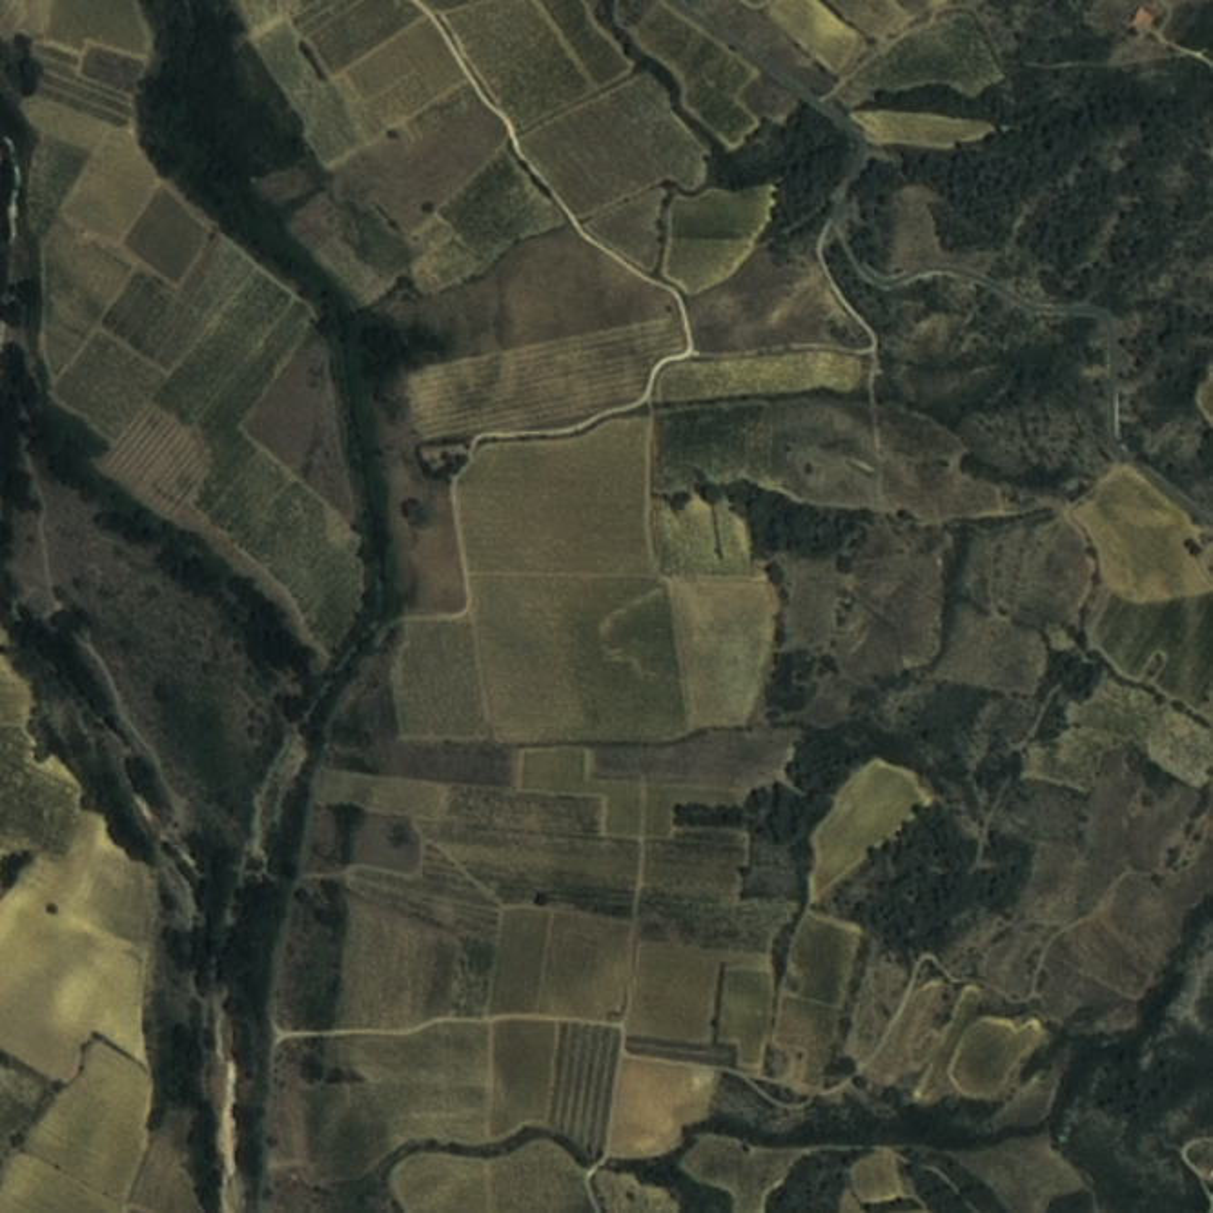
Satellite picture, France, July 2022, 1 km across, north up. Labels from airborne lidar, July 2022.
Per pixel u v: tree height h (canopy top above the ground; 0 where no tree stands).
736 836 0
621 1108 0
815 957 0
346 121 0
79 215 0
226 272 0
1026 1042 0
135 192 0
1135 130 0
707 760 0
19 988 0
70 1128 0
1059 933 0
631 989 0
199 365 0
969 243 6
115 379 0
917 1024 0
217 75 10
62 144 0
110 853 0
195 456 0
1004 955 0
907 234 0
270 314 0
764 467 0
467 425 0
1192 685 0
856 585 0
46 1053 0
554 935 0
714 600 0
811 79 0
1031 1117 0
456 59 0
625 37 6
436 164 0
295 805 6
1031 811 0
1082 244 13
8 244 9
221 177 15
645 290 0
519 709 0
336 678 13
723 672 0
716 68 0
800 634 0
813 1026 0
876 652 0
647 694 0
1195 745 0
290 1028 0
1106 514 0
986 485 0
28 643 14
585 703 0
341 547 0
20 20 0
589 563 0
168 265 0
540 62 0
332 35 0
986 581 0
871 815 0
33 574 0
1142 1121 9
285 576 0
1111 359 0
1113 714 0
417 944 0
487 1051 0
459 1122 0
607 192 0
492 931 0
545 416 0
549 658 0
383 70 0
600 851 0
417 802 0
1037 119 11
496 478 0
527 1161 0
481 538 0
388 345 17
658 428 0
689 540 0
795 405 0
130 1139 0
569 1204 0
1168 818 0
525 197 0
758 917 0
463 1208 0
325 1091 0
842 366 0
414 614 0
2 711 0
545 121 0
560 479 0
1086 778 0
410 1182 0
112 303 0
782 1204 10
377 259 0
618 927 0
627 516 0
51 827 0
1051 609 0
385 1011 0
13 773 0
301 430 0
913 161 13
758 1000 0
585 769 0
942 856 11
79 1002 0
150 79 8
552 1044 0
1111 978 0
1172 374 9
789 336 0
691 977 0
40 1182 0
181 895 0
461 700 0
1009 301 0
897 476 0
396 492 0
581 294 0
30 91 7
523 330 0
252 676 7
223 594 10
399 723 0
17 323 11
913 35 0
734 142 0
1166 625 0
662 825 0
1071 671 12
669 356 0
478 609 0
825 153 16
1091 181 8
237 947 14
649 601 0
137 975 0
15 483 19
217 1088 0
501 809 0
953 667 0
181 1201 0
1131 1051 7
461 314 0
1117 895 0
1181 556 0
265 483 0
